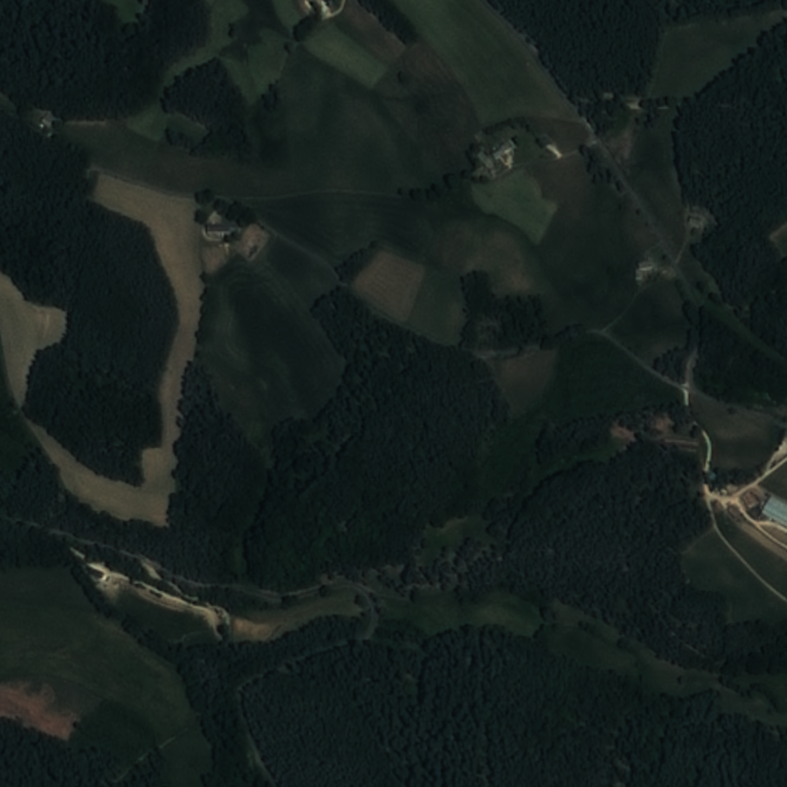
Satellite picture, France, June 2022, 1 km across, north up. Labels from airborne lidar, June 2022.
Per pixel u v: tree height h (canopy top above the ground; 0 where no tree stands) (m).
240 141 15
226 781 7
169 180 0
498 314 13
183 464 15
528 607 0
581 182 0
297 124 0
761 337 6
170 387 0
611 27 28
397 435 22
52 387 22
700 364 7
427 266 0
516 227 0
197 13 20
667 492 18
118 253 21
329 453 26
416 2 0
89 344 27
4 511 25
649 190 0
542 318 16
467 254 0
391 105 0
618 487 15
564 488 25
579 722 11
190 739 0
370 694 28
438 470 32
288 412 0
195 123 14
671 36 0
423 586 26
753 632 16
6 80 26
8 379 0
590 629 16
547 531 17
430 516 24
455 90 0
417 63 0
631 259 0
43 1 29
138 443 16
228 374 0
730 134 19
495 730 24
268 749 13
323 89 0
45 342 0
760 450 0
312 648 22
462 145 0
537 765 28
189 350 0
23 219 31
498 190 0
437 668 30
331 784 21
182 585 17
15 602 0
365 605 17
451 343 0
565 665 21
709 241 18
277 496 15
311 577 15
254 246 0
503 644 8
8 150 20
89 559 18
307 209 0
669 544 17
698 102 16
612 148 0
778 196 27
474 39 0
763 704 0
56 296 25
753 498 0
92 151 0
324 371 0
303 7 0
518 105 0
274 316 0
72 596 0
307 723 19
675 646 21
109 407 15
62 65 30
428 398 23
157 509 0
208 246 0
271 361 0
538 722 22
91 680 0
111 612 19
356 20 0
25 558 26
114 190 0
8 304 0
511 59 0
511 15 20
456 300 0
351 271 16
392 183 0
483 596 8
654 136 0
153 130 0
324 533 17
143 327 21
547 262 0
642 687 19
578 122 0
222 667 22
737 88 21
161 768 14
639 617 18
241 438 17
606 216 0
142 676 0
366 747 18
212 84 20
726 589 0
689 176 20
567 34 29
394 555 27
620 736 6
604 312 0
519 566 21
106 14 25
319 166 0
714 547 0
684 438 0
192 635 0
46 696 0
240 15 0
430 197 15
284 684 18
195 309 0
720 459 0
